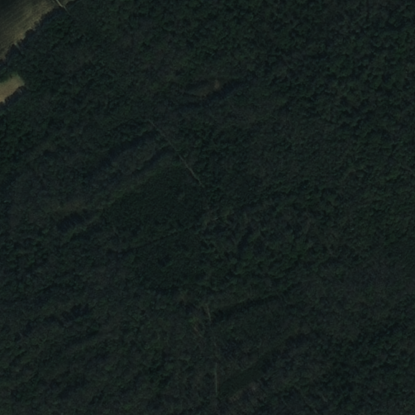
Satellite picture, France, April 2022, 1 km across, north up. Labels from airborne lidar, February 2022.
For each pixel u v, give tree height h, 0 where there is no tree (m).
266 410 35
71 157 32
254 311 26
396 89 31
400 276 32
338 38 34
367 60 28
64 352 20
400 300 32
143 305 36
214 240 31
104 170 34
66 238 37
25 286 36
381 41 32
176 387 37
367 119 18
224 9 22
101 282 39
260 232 33
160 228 26
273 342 28
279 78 30
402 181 23
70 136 31
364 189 24
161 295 32
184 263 19
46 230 35
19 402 36
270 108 26
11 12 0
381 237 26
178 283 14
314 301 34
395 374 31
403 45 31
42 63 29
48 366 27
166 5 15
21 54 31
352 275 36
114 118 25
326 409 35
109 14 23
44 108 35
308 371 38
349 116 32
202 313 38
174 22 26
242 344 22
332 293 33
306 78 25
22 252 22
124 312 29
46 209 34
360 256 21
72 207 33
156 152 33
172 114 24
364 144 28
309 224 34
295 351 36
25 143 33
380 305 32
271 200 27
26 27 0
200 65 24
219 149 23
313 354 35
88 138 36
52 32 32
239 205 23
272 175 25
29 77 29
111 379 33
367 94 34
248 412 20
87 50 29
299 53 33
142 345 32
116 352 31
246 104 31
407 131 31
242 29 36
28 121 32
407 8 27
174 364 32
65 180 24
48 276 28
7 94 0
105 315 33
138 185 31
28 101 29
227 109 31
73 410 34
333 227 24
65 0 0
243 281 27
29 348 32
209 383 32
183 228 32
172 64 29
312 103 21
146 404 35
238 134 25
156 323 37
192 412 36
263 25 34
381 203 25
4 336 31
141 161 35
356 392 32
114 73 11
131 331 31
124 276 35
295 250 25
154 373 29
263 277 27
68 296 34
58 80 17
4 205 37
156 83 30
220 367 32
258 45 27
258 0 30
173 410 28
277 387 34
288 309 31
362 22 22
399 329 27
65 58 36
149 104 19
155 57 31
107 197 32
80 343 34
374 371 32
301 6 19
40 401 32
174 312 34
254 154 22
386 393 26
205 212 29
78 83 32
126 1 26
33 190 32
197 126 20
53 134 36
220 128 26
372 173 25
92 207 32
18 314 34
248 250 30
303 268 32
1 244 37
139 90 21
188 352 34
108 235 25
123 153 34
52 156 29
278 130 23
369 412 27
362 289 37
